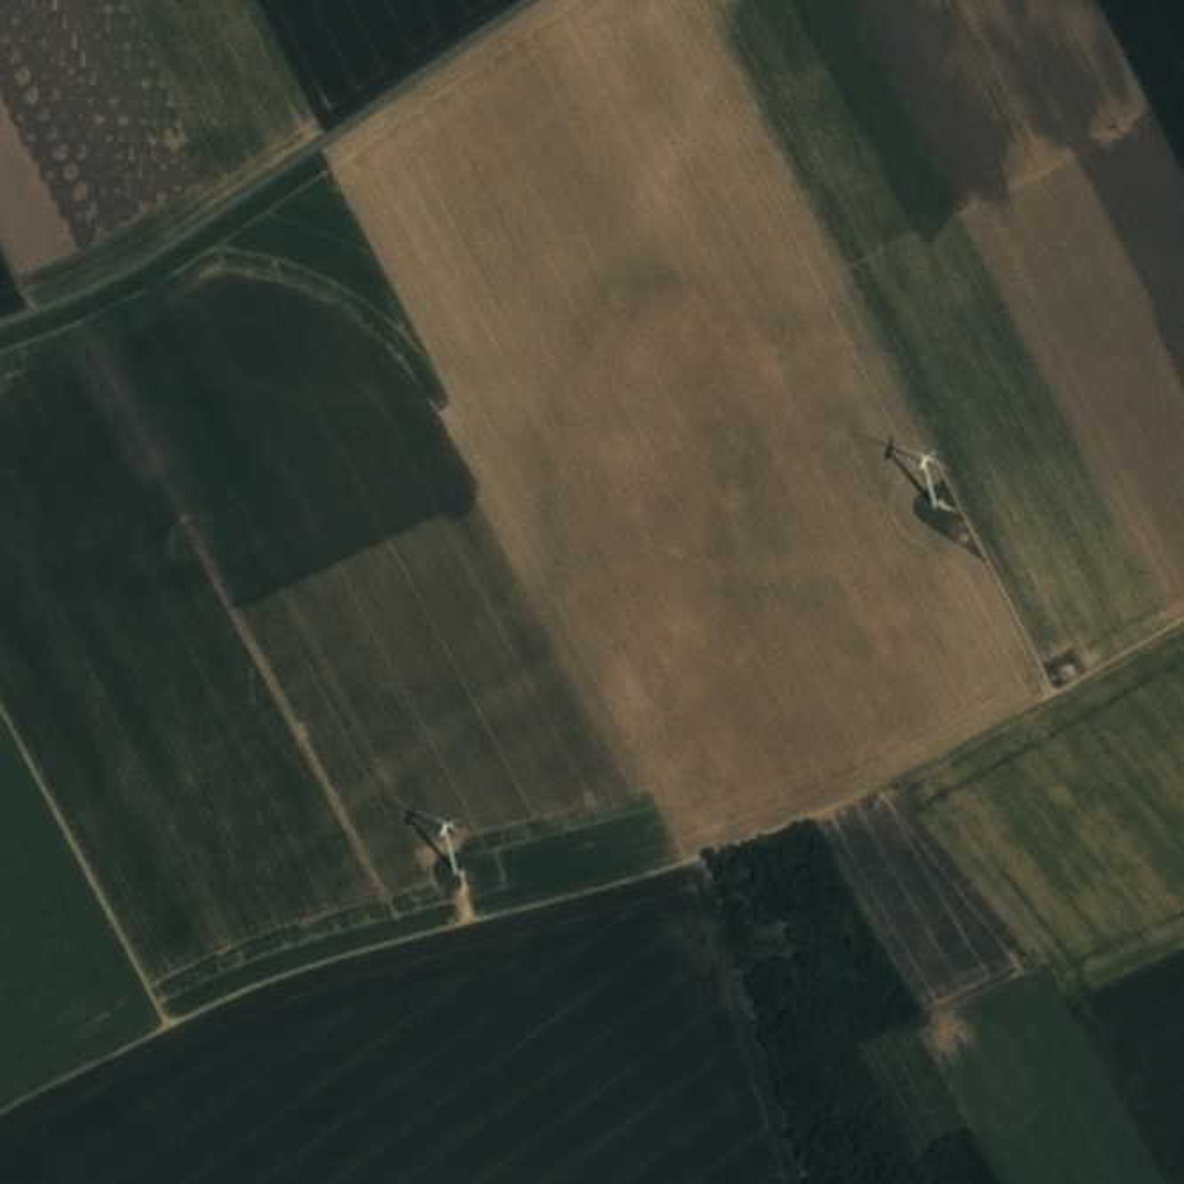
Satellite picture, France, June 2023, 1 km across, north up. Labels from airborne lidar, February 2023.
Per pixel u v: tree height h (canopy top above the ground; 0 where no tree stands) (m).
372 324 0
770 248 0
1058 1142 0
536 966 0
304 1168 0
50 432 0
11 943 0
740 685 0
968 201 0
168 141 0
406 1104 0
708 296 0
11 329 0
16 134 0
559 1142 0
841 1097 10
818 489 0
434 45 0
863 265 0
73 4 0
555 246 0
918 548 0
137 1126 0
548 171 0
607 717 0
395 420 0
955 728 0
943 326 0
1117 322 0
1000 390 0
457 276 0
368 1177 0
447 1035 0
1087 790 0
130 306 0
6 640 0
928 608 0
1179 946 0
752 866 7
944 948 0
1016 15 0
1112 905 0
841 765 0
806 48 0
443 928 0
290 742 0
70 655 0
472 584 0
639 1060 0
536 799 0
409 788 0
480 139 0
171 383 0
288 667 0
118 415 0
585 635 0
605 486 0
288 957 0
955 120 0
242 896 0
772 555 0
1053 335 0
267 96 0
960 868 0
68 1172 0
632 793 0
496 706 0
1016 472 0
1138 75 0
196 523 0
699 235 0
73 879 0
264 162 0
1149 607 0
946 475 0
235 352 0
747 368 0
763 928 0
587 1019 0
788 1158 0
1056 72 0
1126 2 0
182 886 0
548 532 0
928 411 0
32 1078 0
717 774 0
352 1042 0
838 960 8
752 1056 0
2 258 0
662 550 0
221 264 0
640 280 0
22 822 0
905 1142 10
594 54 0
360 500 0
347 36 0
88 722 0
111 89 0
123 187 0
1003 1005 0
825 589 0
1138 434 0
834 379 0
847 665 0
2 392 0
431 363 0
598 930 0
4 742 0
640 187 0
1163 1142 0
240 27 0
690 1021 0
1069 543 0
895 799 0
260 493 0
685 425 0
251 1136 0
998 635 0
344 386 0
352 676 0
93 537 0
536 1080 0
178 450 0
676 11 0
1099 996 0
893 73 0
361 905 0
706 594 0
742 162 0
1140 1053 0
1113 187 0
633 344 0
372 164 0
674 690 0
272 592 0
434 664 0
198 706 0
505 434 0
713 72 0
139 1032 0
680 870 0
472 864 0
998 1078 0
